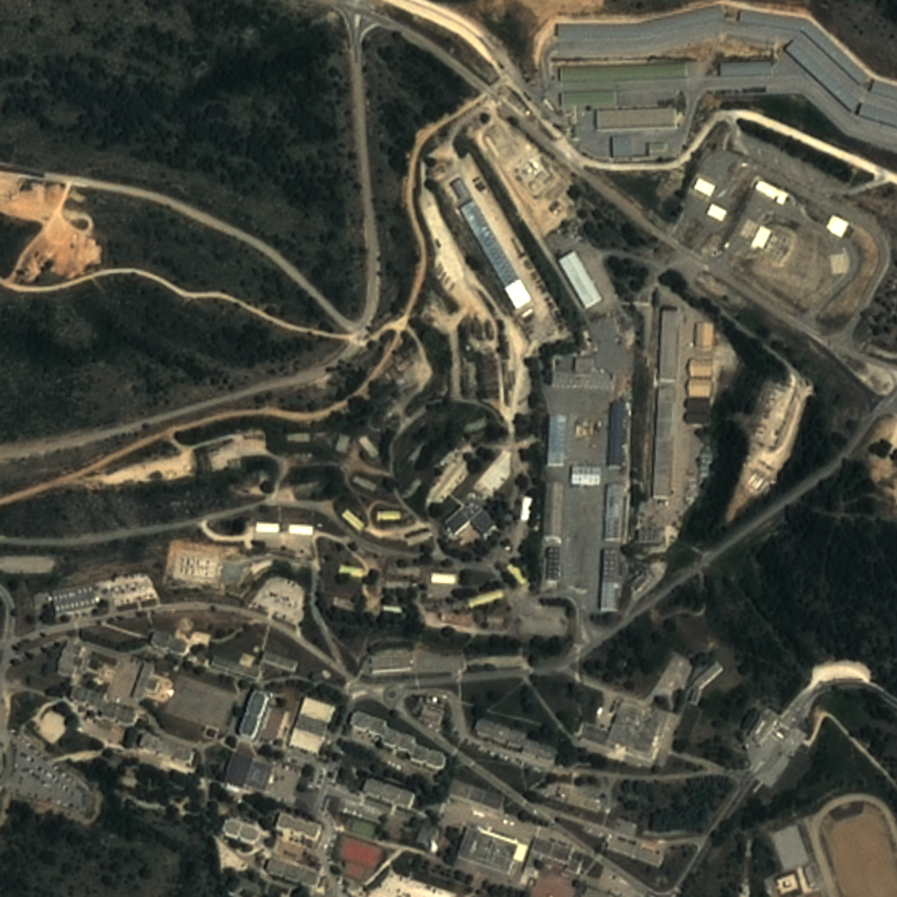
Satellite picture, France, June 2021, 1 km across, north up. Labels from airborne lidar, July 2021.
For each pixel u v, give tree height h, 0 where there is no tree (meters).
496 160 0
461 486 0
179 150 12
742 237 0
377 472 0
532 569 11
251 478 0
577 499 0
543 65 0
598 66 0
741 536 0
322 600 9
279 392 0
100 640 11
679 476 0
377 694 0
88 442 0
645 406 0
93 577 0
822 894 0
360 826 0
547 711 0
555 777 11
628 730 0
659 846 0
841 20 0
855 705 0
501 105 0
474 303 0
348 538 0
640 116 0
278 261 0
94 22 0
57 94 7
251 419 6
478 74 0
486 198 0
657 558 0
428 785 11
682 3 0
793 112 0
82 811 0
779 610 15
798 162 0
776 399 0
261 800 8
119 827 6
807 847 0
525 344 0
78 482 0
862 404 0
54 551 7
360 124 0
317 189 11
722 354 0
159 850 0
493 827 0
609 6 0
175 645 0
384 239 0
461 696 0
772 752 0
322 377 0
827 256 0
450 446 8
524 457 14
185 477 0
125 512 0
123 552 0
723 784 14
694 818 15
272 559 0
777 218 0
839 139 0
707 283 0
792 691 9
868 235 0
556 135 0
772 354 9
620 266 11
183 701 0
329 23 0
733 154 0
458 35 0
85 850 6
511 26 0
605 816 0
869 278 0
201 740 0
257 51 8
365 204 0
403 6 0
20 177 0
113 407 0
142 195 0
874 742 15
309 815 9
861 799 0
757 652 10
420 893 0
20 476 0
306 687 7
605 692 0
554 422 0
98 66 9
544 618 0
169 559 0
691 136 0
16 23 6
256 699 0
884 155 0
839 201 0
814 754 6
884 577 10
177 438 8
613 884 0
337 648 0
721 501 10
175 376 6
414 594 11
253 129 8
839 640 9
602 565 0
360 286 0
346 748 18
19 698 0
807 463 12
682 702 12
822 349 0
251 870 8
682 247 0
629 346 0
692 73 0
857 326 0
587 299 0
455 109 7
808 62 0
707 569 0
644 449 0
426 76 9
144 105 11
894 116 0
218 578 0
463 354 0
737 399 6
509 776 0
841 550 8
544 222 0
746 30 0
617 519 0
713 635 0
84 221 0
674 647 0
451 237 0
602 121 0
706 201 0
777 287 0
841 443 9
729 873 5
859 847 0
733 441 11
